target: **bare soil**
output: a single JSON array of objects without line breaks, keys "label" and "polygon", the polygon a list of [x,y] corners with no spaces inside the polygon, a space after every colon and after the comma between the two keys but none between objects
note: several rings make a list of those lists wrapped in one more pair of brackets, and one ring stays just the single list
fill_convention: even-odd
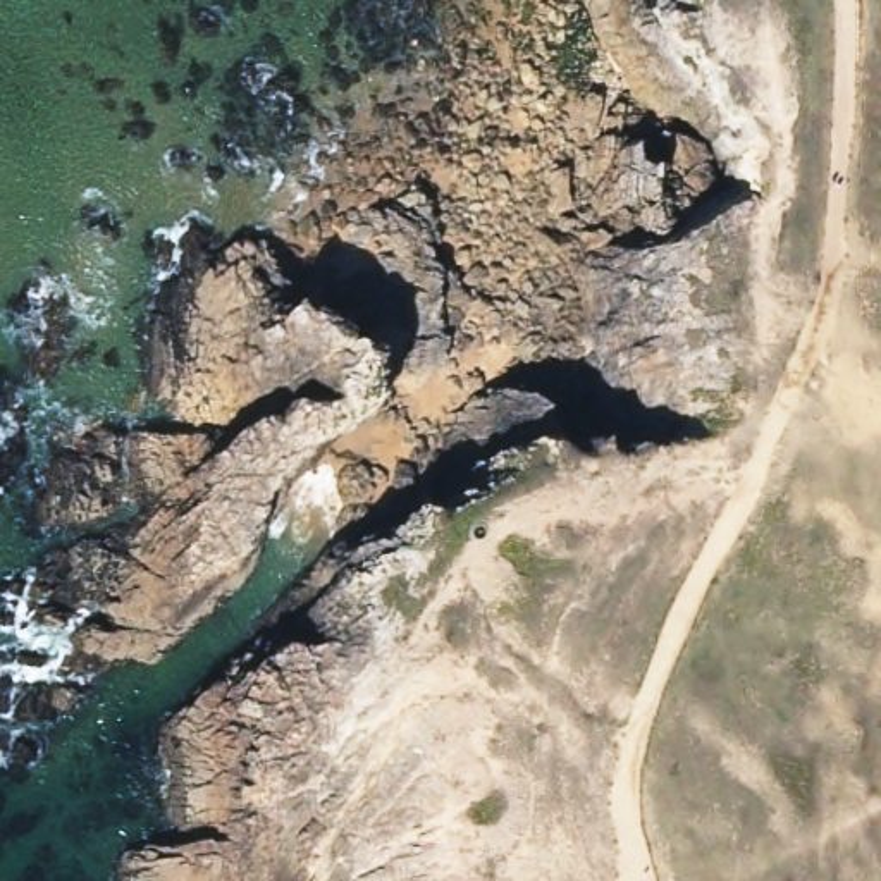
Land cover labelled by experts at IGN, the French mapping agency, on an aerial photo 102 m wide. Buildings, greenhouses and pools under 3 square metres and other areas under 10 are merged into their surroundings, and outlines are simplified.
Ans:
[{"label": "bare soil", "polygon": [[120,127],[120,134],[151,138],[151,120],[145,117],[145,107],[134,100],[127,103],[131,120]]},{"label": "bare soil", "polygon": [[871,0],[857,0],[857,55],[860,55],[860,59],[867,55],[867,45],[871,45]]},{"label": "bare soil", "polygon": [[809,403],[805,396],[798,396],[798,413],[788,416],[774,458],[767,465],[764,499],[740,530],[736,547],[709,578],[699,613],[671,664],[671,675],[661,688],[650,719],[640,761],[640,792],[654,798],[657,829],[668,843],[675,881],[881,881],[881,816],[867,819],[850,840],[829,840],[826,850],[819,850],[816,833],[819,819],[853,812],[871,795],[881,795],[881,248],[874,248],[867,268],[853,282],[853,313],[860,317],[860,323],[874,330],[874,337],[867,341],[860,361],[833,361],[833,368],[822,375],[826,392],[819,399]]},{"label": "bare soil", "polygon": [[[7,447],[10,437],[28,441],[34,482],[45,485],[48,496],[48,502],[41,506],[41,527],[93,523],[124,513],[127,506],[141,506],[151,513],[151,520],[131,537],[127,558],[103,554],[96,547],[72,547],[72,582],[79,582],[79,606],[69,619],[55,619],[48,613],[48,592],[34,585],[34,568],[24,571],[21,592],[0,592],[0,767],[14,754],[17,736],[31,736],[38,723],[48,723],[59,716],[59,709],[72,705],[72,685],[89,685],[114,661],[162,661],[162,654],[172,644],[179,644],[200,619],[206,619],[224,595],[244,585],[258,561],[258,537],[286,533],[296,544],[310,544],[341,533],[344,547],[354,551],[358,564],[365,568],[361,575],[351,575],[334,595],[327,595],[317,606],[317,613],[310,613],[299,602],[275,623],[258,623],[248,637],[220,650],[196,675],[206,692],[179,712],[179,723],[172,723],[158,736],[158,792],[169,822],[151,833],[158,847],[124,860],[120,881],[616,881],[619,836],[613,826],[609,792],[619,761],[616,730],[626,726],[633,699],[644,688],[650,657],[657,650],[661,630],[668,623],[668,613],[705,551],[709,530],[730,506],[723,485],[743,482],[743,465],[754,454],[767,406],[802,337],[802,330],[792,330],[785,341],[774,344],[764,365],[750,365],[757,330],[754,299],[747,293],[750,262],[771,262],[781,213],[792,206],[798,176],[792,127],[798,117],[798,55],[788,41],[788,21],[774,7],[774,0],[182,0],[182,7],[189,7],[186,14],[158,21],[165,59],[155,65],[151,89],[162,103],[179,100],[193,117],[203,117],[206,103],[213,103],[217,110],[224,110],[220,124],[213,127],[206,145],[193,141],[189,148],[176,145],[172,151],[165,151],[162,162],[138,186],[110,186],[107,193],[96,186],[83,189],[86,203],[79,206],[79,220],[86,224],[86,231],[76,234],[79,265],[69,275],[45,275],[28,293],[28,310],[17,313],[10,327],[3,327],[7,341],[41,348],[48,327],[45,299],[55,296],[69,299],[69,310],[79,323],[72,334],[62,337],[62,361],[55,379],[48,385],[45,379],[38,379],[34,385],[21,385],[0,413],[0,444]],[[606,96],[578,96],[558,79],[547,41],[564,41],[564,21],[571,14],[592,17],[599,59],[592,62],[588,76],[595,83],[606,83]]]}]

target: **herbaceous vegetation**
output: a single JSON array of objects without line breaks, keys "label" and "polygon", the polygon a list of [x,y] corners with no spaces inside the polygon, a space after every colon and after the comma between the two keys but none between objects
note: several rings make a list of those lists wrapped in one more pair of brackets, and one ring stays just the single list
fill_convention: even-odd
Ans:
[{"label": "herbaceous vegetation", "polygon": [[564,41],[547,41],[558,79],[578,96],[606,96],[606,83],[595,83],[588,76],[592,62],[599,59],[592,17],[571,14],[564,21]]},{"label": "herbaceous vegetation", "polygon": [[819,241],[826,217],[836,59],[833,0],[774,0],[774,7],[788,21],[788,41],[798,55],[798,117],[792,127],[798,176],[792,206],[781,213],[771,262],[778,272],[802,275],[812,286],[819,286],[822,279]]},{"label": "herbaceous vegetation", "polygon": [[860,155],[853,162],[853,210],[860,237],[874,248],[881,248],[881,0],[871,0],[871,45],[867,45],[867,55],[860,59]]}]

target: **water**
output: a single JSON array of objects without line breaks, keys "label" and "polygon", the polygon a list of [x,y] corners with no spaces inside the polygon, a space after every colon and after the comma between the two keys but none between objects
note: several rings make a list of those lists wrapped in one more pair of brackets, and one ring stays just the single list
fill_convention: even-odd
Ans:
[{"label": "water", "polygon": [[[17,313],[28,310],[28,293],[45,275],[69,275],[79,265],[76,234],[86,231],[86,224],[79,220],[79,206],[86,203],[83,189],[96,186],[107,193],[110,186],[138,186],[162,162],[165,151],[172,151],[176,145],[189,148],[193,141],[206,145],[213,127],[220,124],[224,110],[217,110],[213,103],[206,103],[203,117],[193,117],[179,100],[162,103],[151,89],[155,65],[165,59],[158,21],[186,14],[189,7],[182,7],[182,0],[0,0],[0,413],[21,385],[34,385],[38,379],[45,379],[48,385],[55,379],[62,361],[62,337],[72,334],[79,323],[69,310],[69,299],[55,296],[45,299],[48,327],[41,348],[7,341],[3,327],[10,327]],[[151,138],[120,134],[120,127],[131,120],[127,103],[134,100],[145,107],[145,117],[151,120]]]},{"label": "water", "polygon": [[41,506],[48,502],[48,496],[45,485],[34,482],[28,441],[10,437],[7,447],[0,444],[0,592],[21,592],[24,571],[34,568],[34,585],[48,592],[48,613],[55,619],[69,619],[79,606],[79,582],[72,582],[72,547],[96,547],[103,554],[127,558],[131,537],[151,520],[151,513],[141,506],[127,506],[124,513],[93,523],[41,527]]},{"label": "water", "polygon": [[296,544],[286,533],[258,537],[258,561],[244,585],[224,595],[206,619],[200,619],[179,644],[172,644],[162,654],[162,661],[114,661],[89,685],[72,685],[72,705],[59,709],[59,716],[48,723],[38,723],[31,736],[17,736],[14,754],[0,767],[0,881],[120,881],[124,860],[158,847],[151,833],[169,822],[158,792],[158,736],[172,723],[179,723],[179,712],[206,692],[196,675],[220,650],[248,637],[258,623],[275,623],[299,602],[310,613],[317,613],[317,606],[327,595],[334,595],[351,575],[361,575],[365,568],[358,564],[354,551],[344,547],[341,533],[310,544]]}]

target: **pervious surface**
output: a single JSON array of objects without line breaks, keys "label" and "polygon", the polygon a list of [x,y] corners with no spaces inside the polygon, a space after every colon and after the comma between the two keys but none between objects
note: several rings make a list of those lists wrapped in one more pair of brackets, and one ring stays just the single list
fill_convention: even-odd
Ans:
[{"label": "pervious surface", "polygon": [[850,840],[867,819],[881,816],[881,795],[871,795],[853,812],[819,819],[816,833],[819,850],[826,850],[829,840]]},{"label": "pervious surface", "polygon": [[671,675],[671,664],[699,613],[709,578],[736,547],[740,530],[764,499],[767,465],[774,458],[788,416],[798,413],[798,396],[805,396],[809,403],[819,399],[826,392],[822,375],[833,368],[833,361],[860,361],[867,341],[874,337],[874,330],[860,323],[860,317],[853,313],[853,282],[867,268],[874,248],[860,237],[853,210],[853,162],[860,155],[860,59],[860,55],[857,55],[857,0],[833,0],[836,59],[826,217],[819,241],[822,279],[819,286],[812,286],[802,275],[778,272],[771,262],[750,262],[747,293],[754,299],[757,330],[750,365],[764,365],[774,344],[785,341],[792,330],[802,330],[802,337],[767,406],[754,454],[743,465],[743,482],[723,485],[730,506],[709,530],[705,551],[668,613],[668,623],[661,630],[657,650],[650,657],[644,688],[633,699],[626,726],[616,730],[619,761],[609,792],[613,826],[619,836],[616,881],[675,881],[668,843],[657,829],[654,798],[640,792],[640,761],[650,719],[661,688]]}]

